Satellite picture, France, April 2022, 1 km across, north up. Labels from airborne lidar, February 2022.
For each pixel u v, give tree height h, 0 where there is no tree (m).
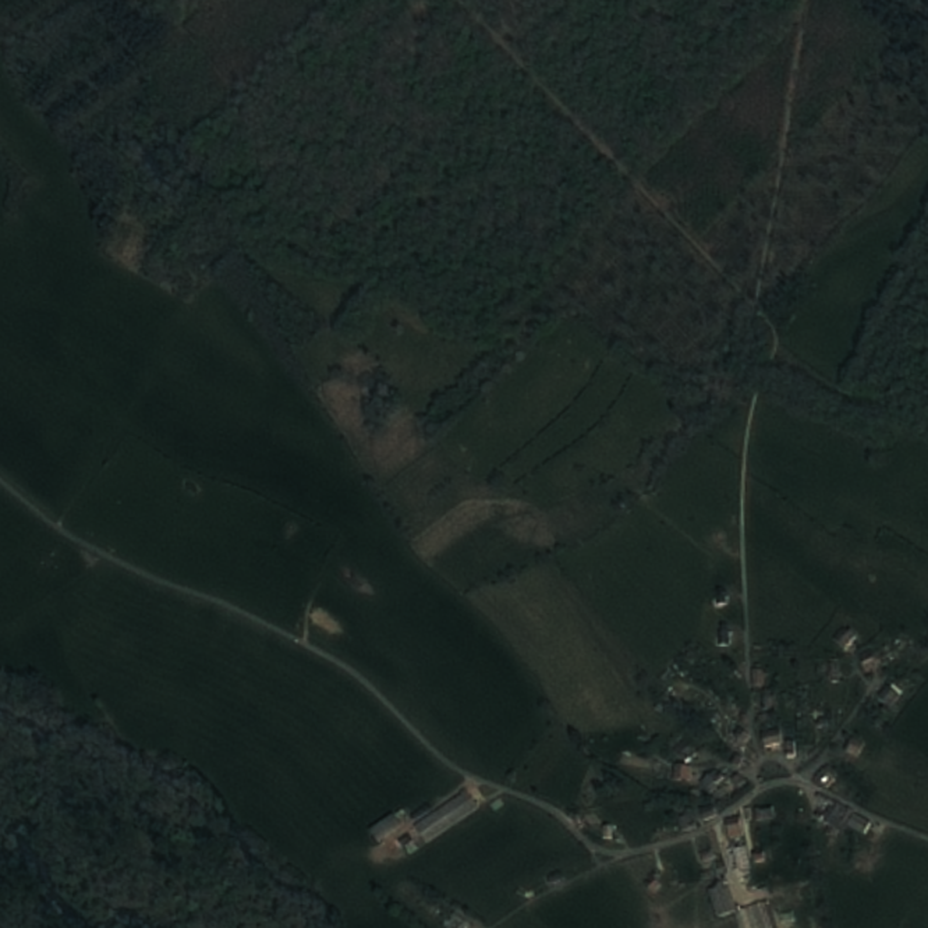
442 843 0
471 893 0
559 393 0
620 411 0
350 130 22
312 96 29
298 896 16
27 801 19
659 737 7
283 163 26
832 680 0
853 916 0
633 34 26
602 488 9
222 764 0
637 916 0
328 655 0
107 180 23
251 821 0
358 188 29
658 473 17
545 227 29
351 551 0
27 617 0
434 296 27
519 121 23
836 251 0
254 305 18
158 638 0
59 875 21
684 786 0
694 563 0
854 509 0
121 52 18
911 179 0
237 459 0
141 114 16
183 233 12
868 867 0
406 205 26
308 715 0
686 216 6
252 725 0
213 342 0
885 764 0
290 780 0
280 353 13
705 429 19
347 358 0
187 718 0
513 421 0
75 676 0
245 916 9
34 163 0
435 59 29
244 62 12
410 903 0
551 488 0
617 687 0
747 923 0
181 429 0
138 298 0
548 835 0
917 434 24
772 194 0
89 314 0
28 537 0
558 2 27
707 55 28
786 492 0
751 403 0
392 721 0
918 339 26
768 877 0
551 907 0
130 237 0
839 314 0
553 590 0
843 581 0
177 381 0
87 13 24
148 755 9
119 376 0
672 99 24
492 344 16
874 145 26
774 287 23
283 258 23
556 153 22
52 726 21
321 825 0
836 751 12
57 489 0
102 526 0
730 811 0
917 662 0
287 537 0
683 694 0
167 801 23
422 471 0
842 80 12
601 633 0
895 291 19
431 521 0
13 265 0
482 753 0
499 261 28
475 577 0
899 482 0
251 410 0
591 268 25
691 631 0
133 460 0
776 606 0
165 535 0
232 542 0
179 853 18
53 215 0
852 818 0
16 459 0
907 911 0
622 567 0
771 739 0
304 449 0
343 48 24
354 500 0
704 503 0
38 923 20
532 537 0
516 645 0
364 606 0
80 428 0
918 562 0
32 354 0
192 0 26
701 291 24
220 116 15
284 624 0
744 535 0
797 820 0
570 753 0
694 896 0
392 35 28
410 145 26
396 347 0
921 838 0
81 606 0
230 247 8
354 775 0
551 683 0
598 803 0
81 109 19
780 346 0
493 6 26
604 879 0
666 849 0
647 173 16
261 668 0
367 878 0
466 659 0
